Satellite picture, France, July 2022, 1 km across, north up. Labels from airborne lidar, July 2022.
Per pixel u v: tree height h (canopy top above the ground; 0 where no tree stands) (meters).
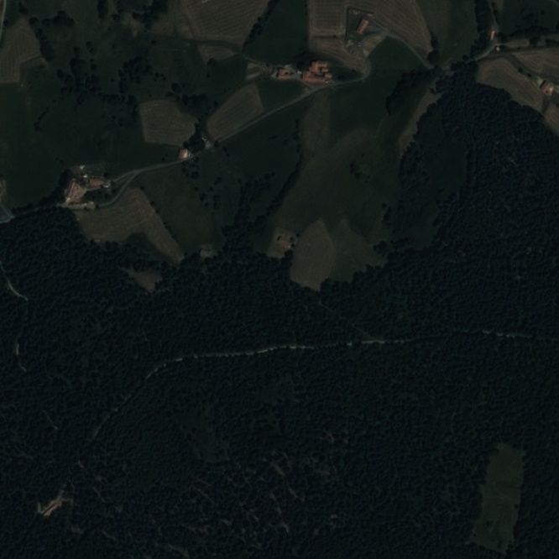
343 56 0
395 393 11
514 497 0
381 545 17
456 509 22
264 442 15
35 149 0
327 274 0
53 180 0
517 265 11
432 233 0
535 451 12
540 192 27
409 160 14
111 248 19
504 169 12
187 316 10
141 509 25
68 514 12
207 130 0
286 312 11
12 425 21
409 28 0
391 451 18
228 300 14
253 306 11
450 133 18
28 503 16
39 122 8
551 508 10
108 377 11
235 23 0
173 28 0
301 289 16
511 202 18
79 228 6
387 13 0
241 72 0
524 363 13
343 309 14
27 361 17
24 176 0
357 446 13
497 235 22
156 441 8
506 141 23
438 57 17
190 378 12
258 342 8
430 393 9
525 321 13
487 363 15
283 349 11
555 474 10
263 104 0
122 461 8
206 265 12
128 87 13
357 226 0
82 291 26
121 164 0
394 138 0
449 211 14
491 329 23
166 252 0
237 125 0
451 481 9
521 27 7
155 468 11
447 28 0
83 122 0
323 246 0
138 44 0
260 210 0
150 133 0
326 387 17
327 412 13
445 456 9
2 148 0
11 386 19
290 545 17
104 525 23
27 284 22
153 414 8
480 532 0
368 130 0
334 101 0
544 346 10
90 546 8
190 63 0
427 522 17
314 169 0
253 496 17
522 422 15
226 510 18
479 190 25
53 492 19
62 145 0
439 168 0
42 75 0
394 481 12
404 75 15
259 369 10
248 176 0
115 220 0
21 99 0
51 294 9
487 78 0
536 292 21
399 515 17
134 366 10
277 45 0
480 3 14
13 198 0
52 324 17
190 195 0
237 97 0
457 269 25
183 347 12
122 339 11
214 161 0
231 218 0
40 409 25
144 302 7
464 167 0
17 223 17
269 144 0
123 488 13
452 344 23
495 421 10
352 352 10
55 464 10
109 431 7
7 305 11
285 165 0
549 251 17
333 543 17
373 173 0
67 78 20
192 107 16
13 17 0
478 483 11
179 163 0
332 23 0
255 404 15
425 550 15
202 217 0
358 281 20
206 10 0
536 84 0
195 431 9
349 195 0
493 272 27
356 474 21
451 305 26
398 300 10
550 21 0
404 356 7
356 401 12
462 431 9
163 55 0
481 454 16
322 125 0
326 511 20
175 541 20
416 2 0
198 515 21
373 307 12
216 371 17
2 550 25
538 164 32
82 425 24
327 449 12
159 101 0
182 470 11
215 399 11
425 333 9
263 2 0
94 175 0
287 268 22
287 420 19
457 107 20
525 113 24
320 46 0
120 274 19
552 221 27
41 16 0
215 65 9
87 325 9
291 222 0
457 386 9
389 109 13
